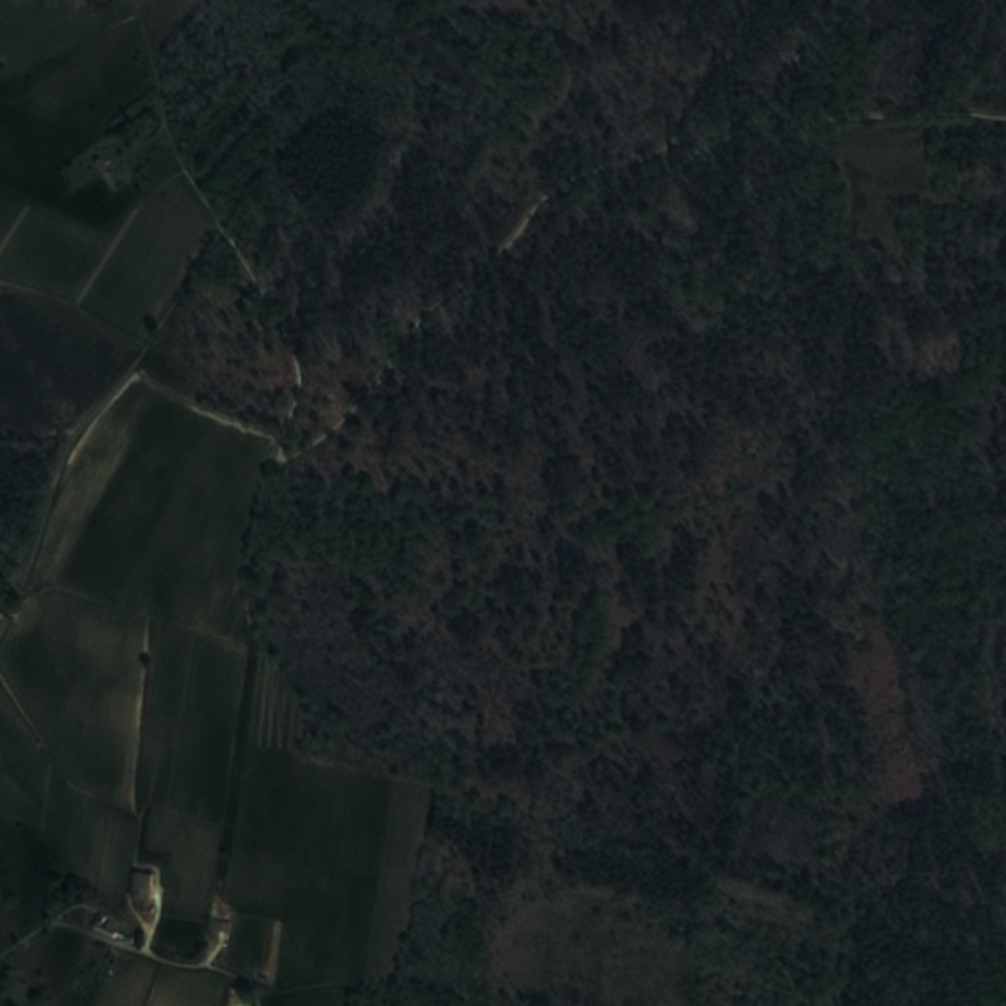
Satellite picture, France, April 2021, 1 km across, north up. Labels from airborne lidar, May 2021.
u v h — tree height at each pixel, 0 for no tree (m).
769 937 9
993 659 10
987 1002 16
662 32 14
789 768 23
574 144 16
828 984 17
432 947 16
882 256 19
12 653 0
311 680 8
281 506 18
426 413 8
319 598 8
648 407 21
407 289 16
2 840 0
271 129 21
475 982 14
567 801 15
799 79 21
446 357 24
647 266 23
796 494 11
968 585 16
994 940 20
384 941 0
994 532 18
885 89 10
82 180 0
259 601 10
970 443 18
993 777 22
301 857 0
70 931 0
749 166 26
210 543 0
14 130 0
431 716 16
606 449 23
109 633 0
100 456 0
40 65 0
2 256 0
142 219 0
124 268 0
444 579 15
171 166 0
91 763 0
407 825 0
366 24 19
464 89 14
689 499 15
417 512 14
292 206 21
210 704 0
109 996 0
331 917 0
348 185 25
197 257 0
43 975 8
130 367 0
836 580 17
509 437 22
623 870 20
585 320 21
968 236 11
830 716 14
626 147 11
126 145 7
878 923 18
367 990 12
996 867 14
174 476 0
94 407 0
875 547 22
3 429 0
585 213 14
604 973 6
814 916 7
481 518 13
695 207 19
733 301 24
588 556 18
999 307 27
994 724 13
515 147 13
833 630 15
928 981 15
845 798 10
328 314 24
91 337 0
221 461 0
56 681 0
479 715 7
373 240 22
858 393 27
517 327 21
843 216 17
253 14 21
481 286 17
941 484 21
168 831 0
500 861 14
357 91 19
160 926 0
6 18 0
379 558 22
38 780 0
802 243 23
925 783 7
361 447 6
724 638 8
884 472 22
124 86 0
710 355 25
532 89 22
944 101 19
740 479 7
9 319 0
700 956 18
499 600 9
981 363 19
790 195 20
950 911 21
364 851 0
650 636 21
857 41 21
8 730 0
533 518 9
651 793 18
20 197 0
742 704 14
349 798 0
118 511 0
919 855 20
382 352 16
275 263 19
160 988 0
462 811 14
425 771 14
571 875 20
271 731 0
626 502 20
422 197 21
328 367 12
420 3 14
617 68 16
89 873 0
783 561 6
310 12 19
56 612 0
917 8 18
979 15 19
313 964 0
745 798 17
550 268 21
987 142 23
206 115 15
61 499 0
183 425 0
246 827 0
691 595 13
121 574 0
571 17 17
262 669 0
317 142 24
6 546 15
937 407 27
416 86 15
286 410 10
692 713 9
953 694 16
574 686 14
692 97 20
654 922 8
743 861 8
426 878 11
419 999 20
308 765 0
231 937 0
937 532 21
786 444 10
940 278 23
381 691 8
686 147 26
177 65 17
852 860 7
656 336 7
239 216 20
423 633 9
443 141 7
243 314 19
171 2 0
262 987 7
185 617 0
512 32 24
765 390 19
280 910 0
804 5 22
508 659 6
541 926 0
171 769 0
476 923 20
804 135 23
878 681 0
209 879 0
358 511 21
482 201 14
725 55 11
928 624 7
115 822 0
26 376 0
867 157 0
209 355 15
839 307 21
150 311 0
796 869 9
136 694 0
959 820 14
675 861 20
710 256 25
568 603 10
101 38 0
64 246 0
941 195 15
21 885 0
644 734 15
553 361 22
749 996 10
